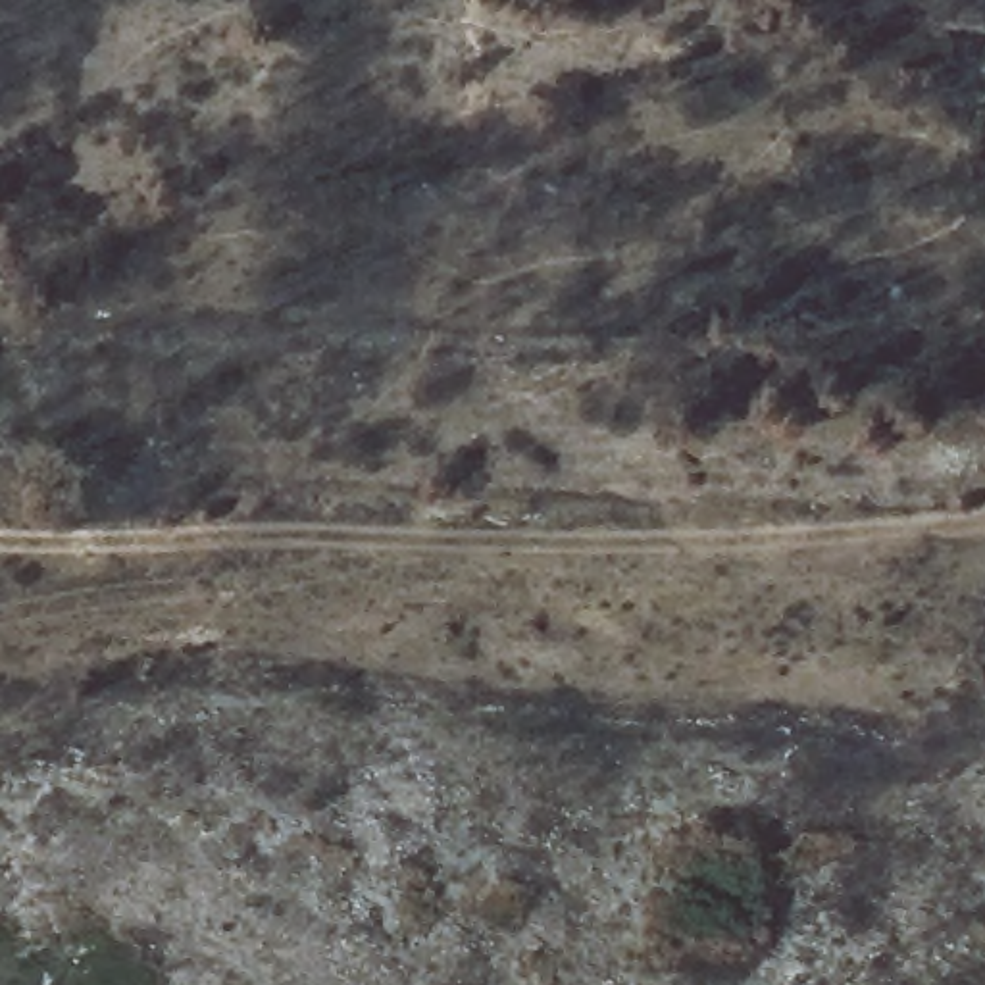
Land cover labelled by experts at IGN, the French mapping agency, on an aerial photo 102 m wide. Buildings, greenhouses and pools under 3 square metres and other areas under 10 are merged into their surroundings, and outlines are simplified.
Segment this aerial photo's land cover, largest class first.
<instances>
[{"label":"bare soil","instance_id":"1","mask_svg":"<svg viewBox=\"0 0 985 985\"><path fill-rule=\"evenodd\" d=\"M573 19L550 23L504 8H485L481 0H0V200L19 196L35 235L50 242L58 235H81L88 219L112 208L115 227L92 250L58 254L54 269L38 277L42 292H58V300H88L96 319H112V308L100 304L112 296L115 281H139L150 289L177 285L181 308L189 312H258L250 277H258L262 269L273 281H281L296 308L342 300L354 292L358 281H369L385 292L416 289V316L446 319L439 335L431 331L416 342L412 362H404L392 377L377 385V396L350 400V416L358 419V427L346 442H331L335 427H308L300 439L289 442L262 439V423L242 404H231L235 389L246 381L235 358L196 377L185 392L165 396L162 419L142 416L131 423L123 412L96 408L73 423H62L50 446H58L77 466H96V477L81 481V500L96 527H177L189 519L408 523L416 508L454 496L469 504V512L435 523L458 531H485L489 512L496 504H527L531 512H543L550 531H581L720 523L731 527L796 519L816 523L962 512L985 504V0H793V8L812 19L816 31L846 46V58L820 65L816 88L781 92L758 58H735L723 50L720 35L739 27V8L731 0H569ZM920 65L935 69L939 92L931 108H939V115L950 127L970 135V154H958L950 162L923 142L877 131H827L796 139L789 135V119L843 104L846 92L862 81L870 85L873 100L904 108L900 96L908 85V69ZM669 335L693 339V354L723 350L754 354L762 362L770 358V350L808 354L820 358L827 373H835L846 358L858 362L881 354L885 366H900L920 377L931 373L939 385H954L970 408L943 416L935 427L912 419L904 431H897L877 408L870 427L854 416L800 427L773 416L777 392L762 385L750 400L746 419H727L720 435L696 439L685 431V416L677 408L681 362L666 342ZM23 277L15 258H0V327H12L19 319ZM316 550H204L135 558L0 554V912H12L19 920L23 939H35V923L62 931V912H81V904H96L112 920V927H165V973L173 985H985V535H920L897 554L873 562H858L854 554L843 562H823V550L812 546H796L773 558H693L681 577L693 585V593L658 596L650 604V619L639 616L635 600H604L600 608L581 612L577 623H558L543 616V608L531 600L527 573L508 569L496 577L489 562H477L469 554H423L419 566H396L342 550H335L331 562H316Z\"/></svg>","mask_w":985,"mask_h":985},{"label":"coniferous trees","instance_id":"2","mask_svg":"<svg viewBox=\"0 0 985 985\"><path fill-rule=\"evenodd\" d=\"M485 8H504L550 23L573 19L569 0H481ZM739 8V27L720 35L723 50L735 58H758L781 92L816 88L820 65L846 58V46L816 31L812 19L793 8V0H731ZM939 92L935 69L920 65L908 69V85L900 96L904 108L873 100L870 85L862 81L846 92L843 104L789 119V135L796 139L827 131H877L923 142L950 162L958 154H970V135L950 127L939 115V108H931ZM115 227L112 208L88 219L81 235H58L50 242L35 235L19 196L0 200V258H15L23 277L19 319L12 327H0V527H96L81 500V481L96 477V466H77L58 446H50L62 423H73L96 408L123 412L131 423L142 416L162 419L165 396L185 392L196 377L235 358L246 381L235 389L231 404H242L262 423V439L289 442L300 439L308 427H335L331 442H346L358 427V419L350 416V400L377 396V385L392 377L404 362H412L416 342L431 331L439 335L446 319L416 316V289L385 292L369 281H358L354 292L342 300L296 308L281 281H273L262 269L258 277H250L258 312H189L181 308L177 285L150 289L139 281H115L112 296L100 304L112 308V319H96L88 300H58V292H42L38 277L54 269L58 254L92 250ZM666 342L681 362L677 408L685 416V431L696 439L720 435L727 419H746L750 400L762 385L777 392L773 416L800 427L854 416L870 427L877 408L897 431H904L912 419L935 427L943 416L970 408L954 385H939L931 373L920 377L900 366H885L881 354L858 362L846 358L835 373H827L820 358L808 354L770 350V358L762 362L754 354L723 350L693 354V339L669 335Z\"/></svg>","mask_w":985,"mask_h":985},{"label":"pervious surface","instance_id":"3","mask_svg":"<svg viewBox=\"0 0 985 985\"><path fill-rule=\"evenodd\" d=\"M469 512V504L454 496L416 508L408 523L189 519L177 527H0V554L135 558L204 550H316V562H331L335 550H342L396 566H419L423 554H469L477 562H489L496 577L508 569L527 573L531 600L543 608V616L558 623H577L581 612L600 608L604 600H635L639 616L650 619V604L658 596L693 593V585L681 577L693 558H773L796 546H812L823 550V562H843L854 554L858 562H873L897 554L920 535H985V504L962 512L816 523L796 519L731 527L720 523L581 531H550L543 512H531L527 504H496L489 512L485 531H458L435 523Z\"/></svg>","mask_w":985,"mask_h":985},{"label":"herbaceous vegetation","instance_id":"4","mask_svg":"<svg viewBox=\"0 0 985 985\"><path fill-rule=\"evenodd\" d=\"M165 927H112V920L96 904H81V912H62V931L35 923V939H23L19 920L12 912H0V985H173L165 973Z\"/></svg>","mask_w":985,"mask_h":985}]
</instances>
